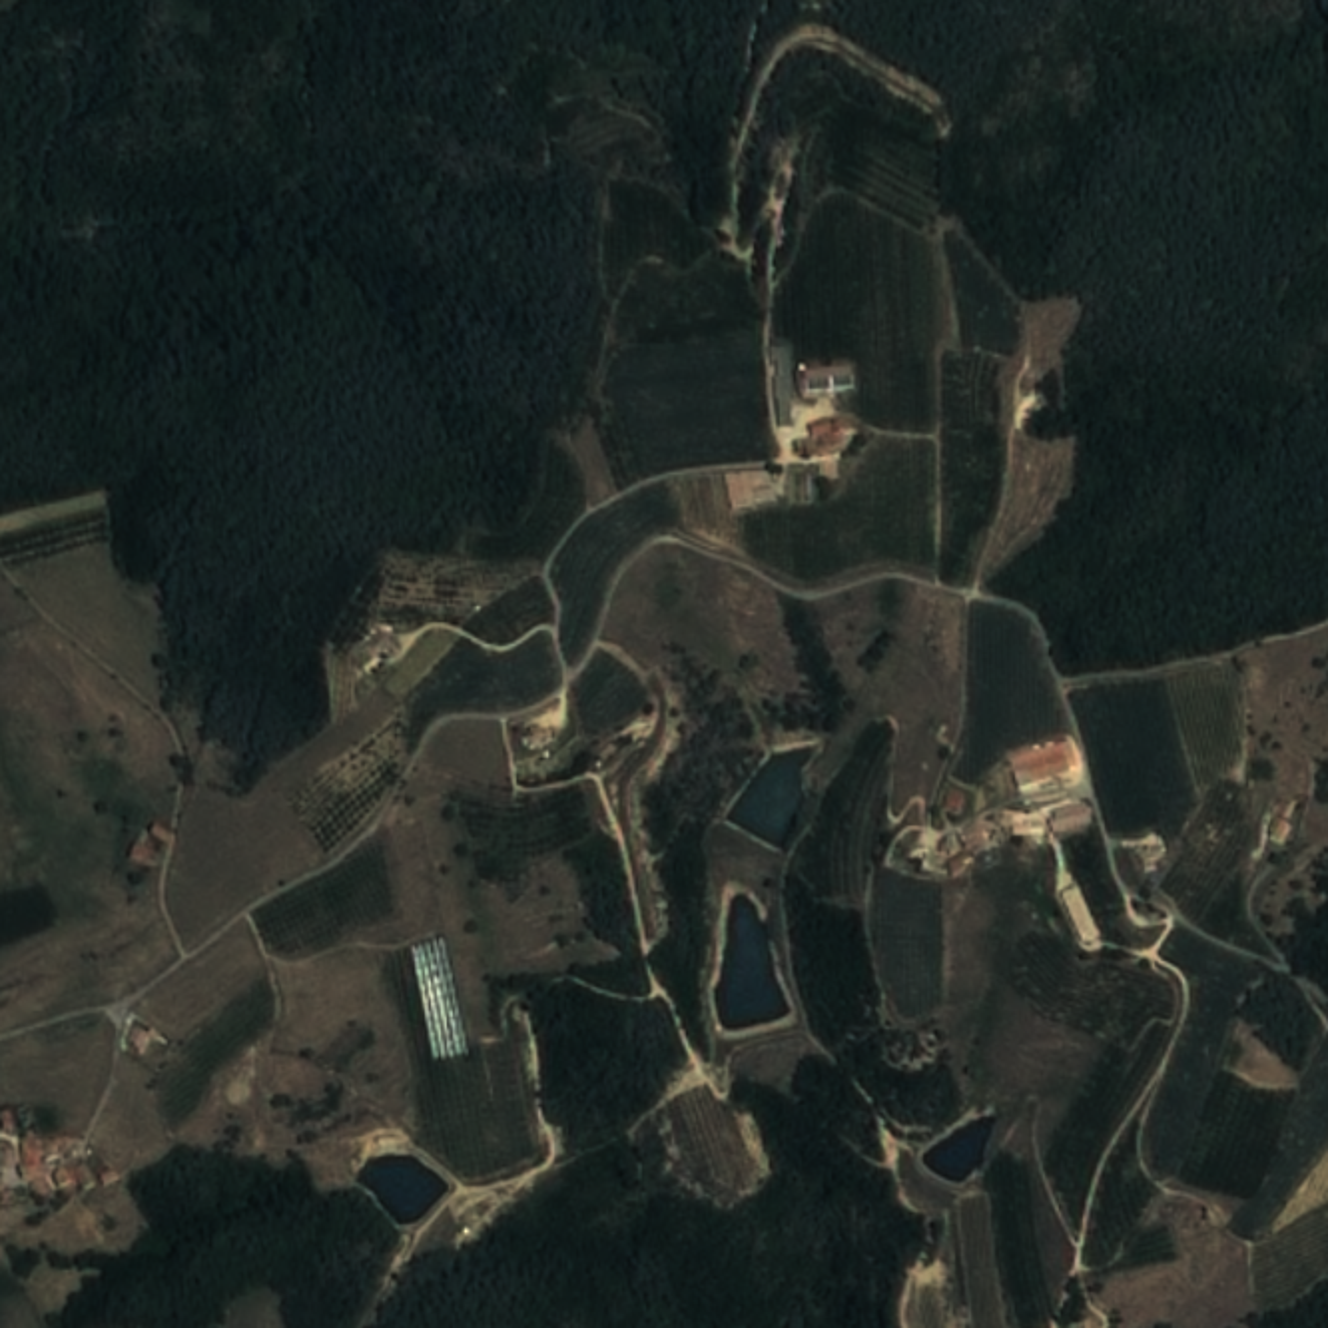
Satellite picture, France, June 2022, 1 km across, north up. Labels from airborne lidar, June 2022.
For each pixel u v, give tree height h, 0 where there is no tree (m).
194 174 17
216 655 8
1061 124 7
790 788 0
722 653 0
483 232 15
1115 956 10
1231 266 17
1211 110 12
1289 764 0
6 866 0
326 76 8
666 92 9
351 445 17
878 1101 11
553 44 9
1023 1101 0
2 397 7
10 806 0
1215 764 0
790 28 9
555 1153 0
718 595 0
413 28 6
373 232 11
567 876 0
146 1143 0
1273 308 15
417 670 0
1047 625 8
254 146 6
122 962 0
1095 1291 10
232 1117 7
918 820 0
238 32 12
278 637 14
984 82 10
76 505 0
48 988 0
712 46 12
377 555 9
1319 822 0
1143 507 7
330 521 10
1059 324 0
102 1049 0
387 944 0
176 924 0
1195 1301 0
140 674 0
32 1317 0
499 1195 0
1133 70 12
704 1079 0
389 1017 0
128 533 12
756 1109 7
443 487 11
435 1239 0
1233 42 6
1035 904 0
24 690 0
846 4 12
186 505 11
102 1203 0
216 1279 11
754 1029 0
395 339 16
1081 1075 0
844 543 0
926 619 0
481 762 0
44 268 11
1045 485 0
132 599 0
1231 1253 0
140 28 7
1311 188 17
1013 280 7
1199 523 14
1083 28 9
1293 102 11
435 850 0
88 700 0
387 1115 0
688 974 8
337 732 0
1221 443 11
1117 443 11
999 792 0
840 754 0
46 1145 0
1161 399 6
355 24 8
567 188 9
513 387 8
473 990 0
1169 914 0
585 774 10
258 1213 15
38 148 15
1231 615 12
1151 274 11
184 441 14
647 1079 10
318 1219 12
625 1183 20
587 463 0
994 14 10
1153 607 16
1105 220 11
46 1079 0
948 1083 10
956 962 0
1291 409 11
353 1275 12
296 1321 11
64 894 0
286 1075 0
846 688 11
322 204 13
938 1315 0
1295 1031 12
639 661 0
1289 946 8
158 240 22
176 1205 12
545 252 12
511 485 12
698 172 15
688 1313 13
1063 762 0
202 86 8
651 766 0
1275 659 0
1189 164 12
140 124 18
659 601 0
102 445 17
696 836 7
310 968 0
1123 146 11
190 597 13
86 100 8
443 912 0
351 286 14
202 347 21
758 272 7
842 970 8
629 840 0
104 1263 13
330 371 15
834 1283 13
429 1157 0
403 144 6
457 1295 15
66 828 0
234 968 0
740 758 6
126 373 7
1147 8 6
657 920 0
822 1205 14
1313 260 12
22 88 14
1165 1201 0
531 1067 0
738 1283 7
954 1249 0
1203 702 0
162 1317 12
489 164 7
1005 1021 0
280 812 0
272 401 17
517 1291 12
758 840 0
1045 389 9
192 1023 0
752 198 13
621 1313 10
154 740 0
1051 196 10
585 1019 6
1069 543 8
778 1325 9
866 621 0
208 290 22
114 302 25
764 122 9
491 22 11
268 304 16
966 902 0
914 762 0
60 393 19
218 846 0
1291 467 17
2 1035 0
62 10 18
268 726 13
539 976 8
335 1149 0
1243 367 11
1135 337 12
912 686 0
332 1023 0
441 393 16
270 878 0
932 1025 8
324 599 8
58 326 14
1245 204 14
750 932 0
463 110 11
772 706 9
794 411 0
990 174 7
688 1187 0
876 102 13
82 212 10
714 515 0
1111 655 9
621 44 23
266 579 10
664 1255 6
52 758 0
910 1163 0
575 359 10
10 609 0
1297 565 13
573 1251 11
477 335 15
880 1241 8
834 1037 10
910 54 15
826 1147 17
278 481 16
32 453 15
